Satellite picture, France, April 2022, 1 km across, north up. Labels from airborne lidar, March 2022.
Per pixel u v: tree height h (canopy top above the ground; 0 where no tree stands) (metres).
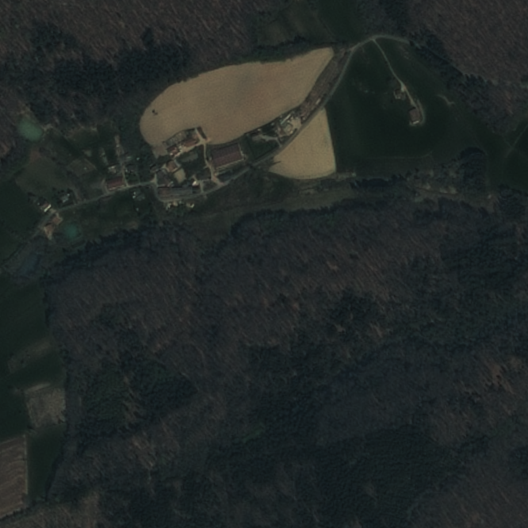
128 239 20
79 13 20
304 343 23
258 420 29
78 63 20
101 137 0
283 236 25
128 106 31
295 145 0
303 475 17
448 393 30
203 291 13
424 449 21
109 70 30
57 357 0
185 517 23
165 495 26
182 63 24
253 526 17
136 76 35
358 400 32
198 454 30
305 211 0
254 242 32
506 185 0
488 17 26
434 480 17
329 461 26
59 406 0
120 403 14
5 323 0
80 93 22
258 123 0
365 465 22
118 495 22
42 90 20
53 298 25
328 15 0
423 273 29
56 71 16
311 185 0
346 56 8
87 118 26
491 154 0
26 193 0
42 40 19
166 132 0
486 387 28
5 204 0
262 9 32
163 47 13
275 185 0
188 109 0
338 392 33
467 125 0
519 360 22
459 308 24
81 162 0
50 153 13
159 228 18
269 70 0
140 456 30
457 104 0
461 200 0
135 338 26
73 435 22
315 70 0
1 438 0
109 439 30
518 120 20
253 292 27
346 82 0
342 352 29
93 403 16
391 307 29
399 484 17
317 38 0
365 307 20
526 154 0
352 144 0
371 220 34
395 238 28
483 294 24
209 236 0
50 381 0
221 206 0
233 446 29
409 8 11
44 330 0
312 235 32
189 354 31
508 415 33
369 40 0
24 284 15
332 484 25
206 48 27
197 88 0
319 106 0
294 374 18
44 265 22
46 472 0
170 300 32
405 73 0
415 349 27
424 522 29
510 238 28
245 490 22
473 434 31
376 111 0
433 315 29
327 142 0
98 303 32
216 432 27
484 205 0
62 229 0
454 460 14
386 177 0
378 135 0
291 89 0
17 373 0
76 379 26
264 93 0
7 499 0
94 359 29
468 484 29
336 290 0
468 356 30
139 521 24
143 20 20
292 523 18
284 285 21
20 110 29
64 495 26
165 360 27
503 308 11
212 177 0
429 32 23
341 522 26
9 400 0
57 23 18
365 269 29
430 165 0
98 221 0
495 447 30
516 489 34
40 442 0
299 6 0
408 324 32
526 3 28
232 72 0
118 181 0
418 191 0
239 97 0
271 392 25
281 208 0
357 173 0
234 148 0
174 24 24
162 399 27
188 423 30
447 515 29
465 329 28
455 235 30
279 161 0
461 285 28
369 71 0
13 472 0
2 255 0
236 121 0
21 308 0
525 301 16
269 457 24
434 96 0
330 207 0
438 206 18
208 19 27
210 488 24
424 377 31
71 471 30
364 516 23
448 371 33
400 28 13
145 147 12
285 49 17
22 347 0
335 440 27
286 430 29
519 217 28
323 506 21
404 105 0
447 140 0
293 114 0
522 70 26
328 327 24
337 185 6
